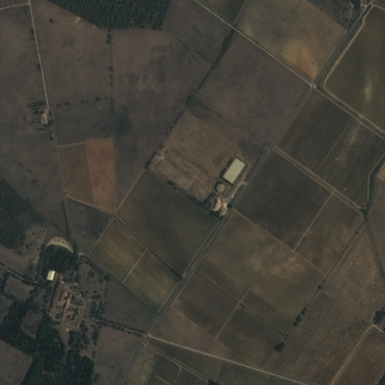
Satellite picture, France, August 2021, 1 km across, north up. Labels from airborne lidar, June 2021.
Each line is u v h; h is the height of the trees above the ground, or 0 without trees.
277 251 0
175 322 0
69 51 0
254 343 0
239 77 0
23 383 12
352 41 0
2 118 0
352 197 0
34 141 0
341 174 0
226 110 0
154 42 0
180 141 0
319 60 0
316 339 0
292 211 0
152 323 0
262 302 0
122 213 0
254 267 0
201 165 0
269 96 0
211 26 0
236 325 0
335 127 0
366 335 0
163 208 0
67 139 0
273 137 0
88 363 16
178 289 0
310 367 0
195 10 0
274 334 0
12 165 0
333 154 0
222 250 0
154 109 0
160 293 0
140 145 0
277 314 0
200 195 0
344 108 0
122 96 0
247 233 0
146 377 0
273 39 0
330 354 0
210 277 0
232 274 0
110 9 10
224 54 0
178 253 0
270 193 0
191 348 0
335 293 0
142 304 0
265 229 0
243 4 0
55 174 0
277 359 0
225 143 0
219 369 0
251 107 0
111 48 0
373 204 0
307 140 0
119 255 0
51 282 13
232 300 0
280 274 0
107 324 11
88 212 0
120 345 0
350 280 0
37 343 13
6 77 0
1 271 0
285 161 0
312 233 0
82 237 0
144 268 0
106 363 0
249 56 0
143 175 0
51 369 8
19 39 0
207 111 0
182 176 0
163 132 0
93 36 0
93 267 6
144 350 0
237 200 0
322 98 0
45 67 0
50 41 0
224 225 0
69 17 0
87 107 0
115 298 0
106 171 0
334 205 0
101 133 0
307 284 0
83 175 0
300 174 0
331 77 0
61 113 0
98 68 0
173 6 0
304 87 0
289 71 0
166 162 0
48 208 0
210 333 0
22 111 0
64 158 0
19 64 0
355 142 0
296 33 0
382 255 0
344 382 0
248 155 0
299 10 0
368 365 0
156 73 0
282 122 0
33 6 0
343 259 0
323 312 0
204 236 0
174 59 0
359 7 14
